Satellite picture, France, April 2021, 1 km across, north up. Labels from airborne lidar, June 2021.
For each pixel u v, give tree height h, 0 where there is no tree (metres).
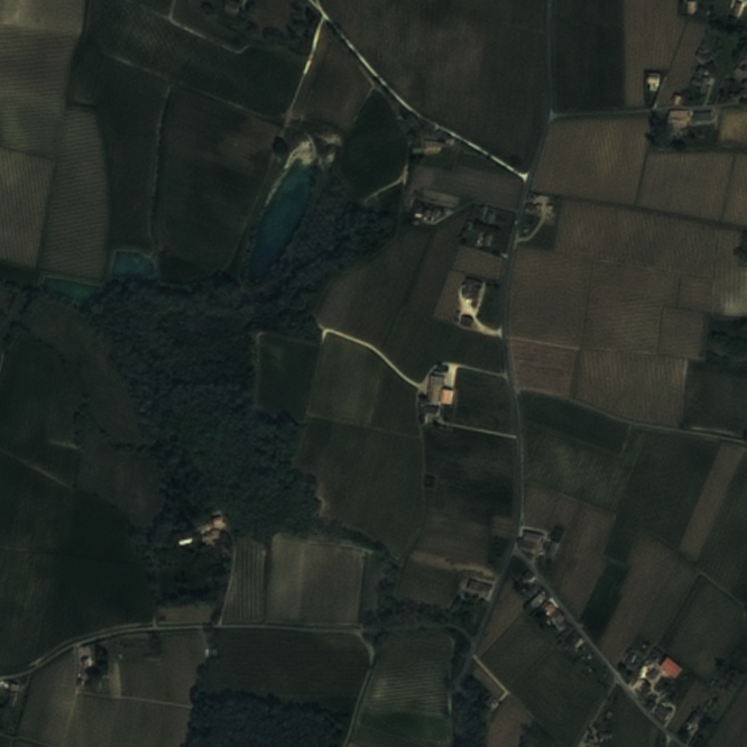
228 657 0
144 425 19
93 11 0
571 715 0
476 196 0
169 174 0
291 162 0
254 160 0
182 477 8
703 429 0
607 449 0
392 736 0
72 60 0
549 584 0
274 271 7
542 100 0
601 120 0
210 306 20
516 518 0
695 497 0
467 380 0
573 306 0
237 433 22
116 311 18
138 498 0
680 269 0
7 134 0
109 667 10
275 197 0
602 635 0
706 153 0
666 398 0
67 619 0
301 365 0
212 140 0
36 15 0
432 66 0
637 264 0
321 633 0
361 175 0
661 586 0
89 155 0
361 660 0
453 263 0
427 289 0
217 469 25
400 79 0
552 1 0
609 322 0
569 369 0
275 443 13
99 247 0
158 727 0
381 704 0
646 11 0
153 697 0
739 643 0
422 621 21
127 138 0
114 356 13
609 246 0
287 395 0
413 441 0
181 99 0
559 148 0
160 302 23
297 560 0
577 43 0
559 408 0
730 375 0
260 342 0
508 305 0
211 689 0
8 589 0
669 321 0
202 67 0
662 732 0
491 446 0
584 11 0
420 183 0
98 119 0
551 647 0
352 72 0
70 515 0
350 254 20
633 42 0
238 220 0
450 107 0
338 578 0
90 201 0
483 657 0
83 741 0
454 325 0
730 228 0
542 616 10
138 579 0
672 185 0
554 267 0
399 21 0
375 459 0
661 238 0
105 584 0
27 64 0
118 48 0
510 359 0
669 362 0
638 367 0
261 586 0
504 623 0
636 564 0
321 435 0
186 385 15
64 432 0
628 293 0
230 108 0
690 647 0
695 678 0
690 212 0
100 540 0
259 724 26
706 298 0
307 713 16
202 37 0
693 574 0
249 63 0
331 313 0
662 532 0
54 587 0
